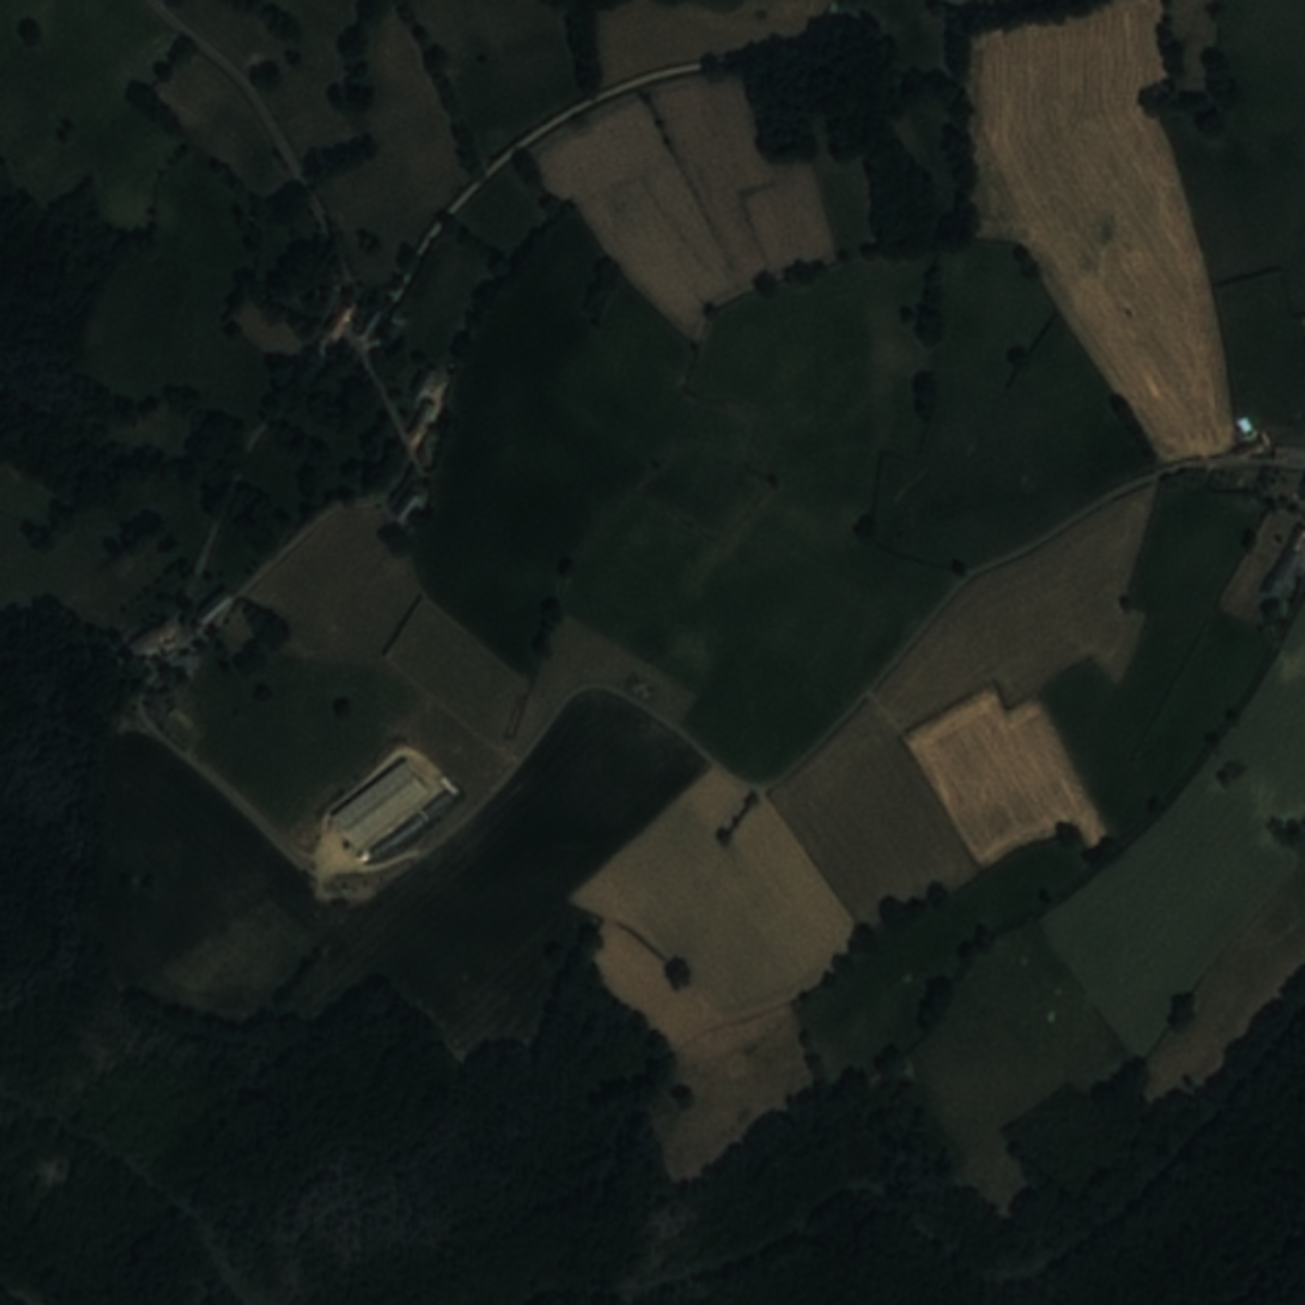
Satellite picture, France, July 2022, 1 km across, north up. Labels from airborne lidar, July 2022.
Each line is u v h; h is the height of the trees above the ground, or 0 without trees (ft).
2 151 0
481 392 0
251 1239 29
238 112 0
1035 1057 0
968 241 56
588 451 0
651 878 0
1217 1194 71
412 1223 41
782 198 0
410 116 0
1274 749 0
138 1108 34
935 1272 70
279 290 72
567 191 0
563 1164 73
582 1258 77
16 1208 60
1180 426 0
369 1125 59
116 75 0
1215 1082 44
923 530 0
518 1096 61
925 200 83
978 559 0
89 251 37
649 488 0
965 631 0
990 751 0
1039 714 0
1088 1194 27
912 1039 0
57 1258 55
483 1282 69
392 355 53
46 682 60
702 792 0
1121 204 0
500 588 0
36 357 70
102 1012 38
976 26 53
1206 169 0
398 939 0
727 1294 57
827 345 0
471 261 0
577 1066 59
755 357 0
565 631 0
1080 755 0
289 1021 51
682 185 0
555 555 0
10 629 56
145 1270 63
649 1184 53
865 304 0
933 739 0
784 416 0
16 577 0
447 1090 72
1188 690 0
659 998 0
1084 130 0
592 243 0
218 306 0
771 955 0
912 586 0
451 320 0
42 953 46
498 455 0
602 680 0
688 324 0
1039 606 0
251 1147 75
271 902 0
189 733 0
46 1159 40
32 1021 40
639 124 0
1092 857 35
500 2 0
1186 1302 59
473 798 0
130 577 0
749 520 0
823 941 0
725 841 31
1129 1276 68
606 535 0
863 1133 43
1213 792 0
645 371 0
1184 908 0
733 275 0
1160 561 0
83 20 0
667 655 0
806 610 0
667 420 0
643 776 0
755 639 0
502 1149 61
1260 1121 74
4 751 54
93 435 25
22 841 62
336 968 0
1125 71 0
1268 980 0
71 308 45
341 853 0
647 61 0
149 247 58
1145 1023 0
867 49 87
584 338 0
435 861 0
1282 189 0
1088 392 0
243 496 44
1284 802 0
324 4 0
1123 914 0
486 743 0
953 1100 0
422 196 0
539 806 0
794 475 0
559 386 0
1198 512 0
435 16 0
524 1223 81
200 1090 53
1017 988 0
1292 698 0
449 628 0
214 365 0
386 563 0
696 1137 0
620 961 0
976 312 0
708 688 0
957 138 64
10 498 0
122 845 0
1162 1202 84
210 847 0
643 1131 85
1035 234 0
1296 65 0
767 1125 54
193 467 56
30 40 45
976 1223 50
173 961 0
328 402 57
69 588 0
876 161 73
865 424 0
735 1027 0
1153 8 0
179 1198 32
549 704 0
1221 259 0
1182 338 0
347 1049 79
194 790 0
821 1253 82
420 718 0
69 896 52
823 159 0
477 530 0
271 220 32
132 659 58
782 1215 59
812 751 0
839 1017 0
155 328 0
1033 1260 30
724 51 0
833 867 0
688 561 0
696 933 0
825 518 0
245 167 0
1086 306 0
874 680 0
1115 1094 62
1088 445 0
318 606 0
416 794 0
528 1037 0
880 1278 68
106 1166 46
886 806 0
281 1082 75
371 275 0
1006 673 0
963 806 0
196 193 0
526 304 0
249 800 0
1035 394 0
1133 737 0
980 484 0
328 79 0
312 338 26
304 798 0
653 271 0
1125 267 0
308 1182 38
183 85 0
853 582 0
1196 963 0
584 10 82
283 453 32
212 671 0
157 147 0
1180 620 0
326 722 0
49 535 33
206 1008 0
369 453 48
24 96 0
